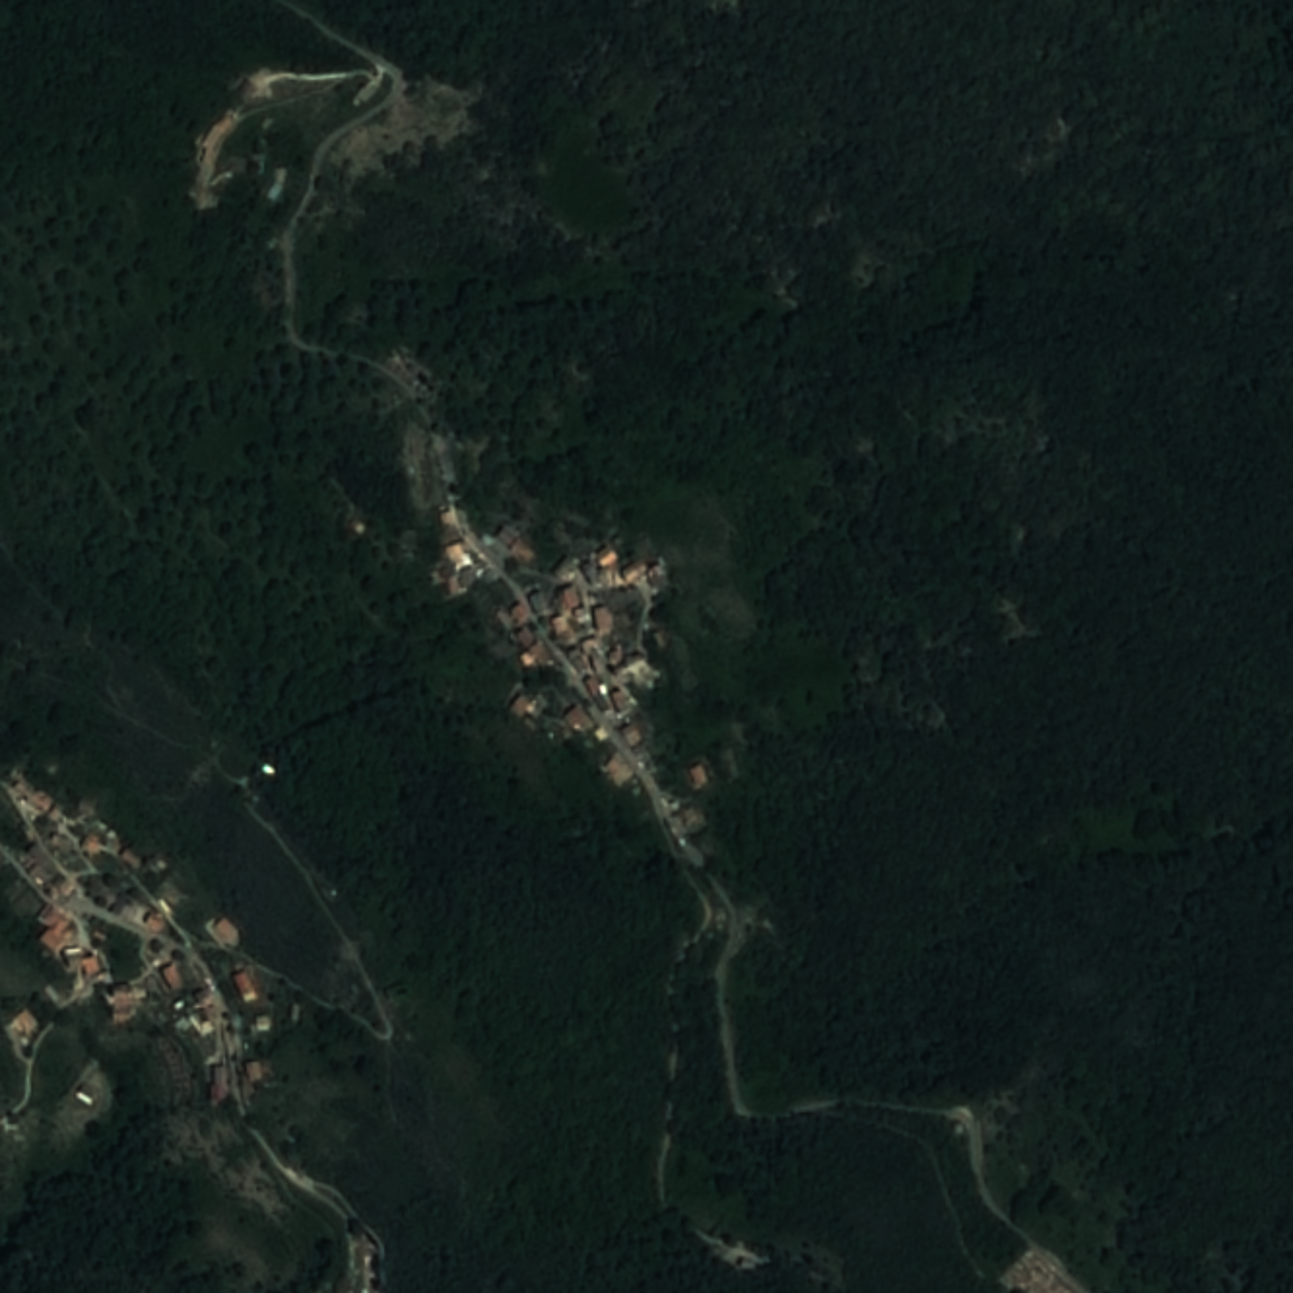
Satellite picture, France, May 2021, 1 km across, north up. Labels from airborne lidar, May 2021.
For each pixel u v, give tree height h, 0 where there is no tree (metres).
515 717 9
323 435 8
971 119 9
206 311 16
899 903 15
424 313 16
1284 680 14
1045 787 17
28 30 11
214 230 7
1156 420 16
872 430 14
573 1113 11
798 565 13
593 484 7
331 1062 6
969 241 12
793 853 13
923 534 19
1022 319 19
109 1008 6
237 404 16
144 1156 7
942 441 16
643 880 15
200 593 15
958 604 12
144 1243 19
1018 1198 12
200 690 8
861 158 14
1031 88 9
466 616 7
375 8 13
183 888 0
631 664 0
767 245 10
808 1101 0
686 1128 15
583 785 0
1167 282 24
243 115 0
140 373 14
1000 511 14
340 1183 9
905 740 15
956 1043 12
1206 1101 14
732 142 12
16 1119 7
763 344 13
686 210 12
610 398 15
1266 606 13
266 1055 8
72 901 0
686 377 13
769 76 11
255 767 6
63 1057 0
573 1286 11
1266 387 21
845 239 14
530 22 7
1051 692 18
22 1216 8
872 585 20
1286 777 17
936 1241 7
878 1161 8
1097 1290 7
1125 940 15
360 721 21
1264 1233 16
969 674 16
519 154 6
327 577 14
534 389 21
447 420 8
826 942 8
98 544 16
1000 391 13
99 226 17
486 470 9
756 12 9
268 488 13
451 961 8
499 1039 13
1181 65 8
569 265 10
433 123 0
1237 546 13
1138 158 10
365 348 14
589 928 6
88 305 10
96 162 16
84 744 13
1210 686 16
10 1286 16
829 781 7
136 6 7
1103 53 8
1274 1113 17
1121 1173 6
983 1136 0
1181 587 16
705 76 13
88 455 14
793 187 9
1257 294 18
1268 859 23
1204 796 17
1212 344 16
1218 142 12
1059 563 16
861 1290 6
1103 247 13
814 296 14
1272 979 18
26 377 17
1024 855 19
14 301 11
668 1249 10
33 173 18
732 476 8
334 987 0
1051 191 12
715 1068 12
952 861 13
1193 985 22
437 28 11
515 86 12
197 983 0
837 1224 9
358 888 10
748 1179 13
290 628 15
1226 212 12
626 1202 12
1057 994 8
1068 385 12
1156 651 17
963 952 19
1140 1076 13
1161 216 6
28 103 6
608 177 0
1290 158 10
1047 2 11
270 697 19
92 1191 13
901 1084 15
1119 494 11
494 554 0
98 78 9
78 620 14
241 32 6
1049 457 13
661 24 13
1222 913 19
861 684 11
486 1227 5
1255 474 16
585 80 10
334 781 20
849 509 11
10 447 7
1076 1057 11
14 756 7
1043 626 14
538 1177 13
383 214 7
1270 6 12
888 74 9
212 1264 7
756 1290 12
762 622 10
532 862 19
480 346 12
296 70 9
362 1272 0
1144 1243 13
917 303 24
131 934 8
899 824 15
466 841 14
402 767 20
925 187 7
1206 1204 14
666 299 11
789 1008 12
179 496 14
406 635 10
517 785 18
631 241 13
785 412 15
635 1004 12
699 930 8
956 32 6
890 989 17
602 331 11
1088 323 18
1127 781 17
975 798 16
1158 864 22
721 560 0
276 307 9
